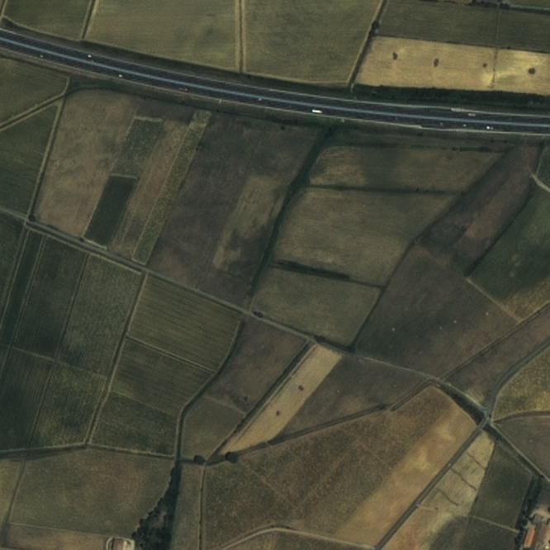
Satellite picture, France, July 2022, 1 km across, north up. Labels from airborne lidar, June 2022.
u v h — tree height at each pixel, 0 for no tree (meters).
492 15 0
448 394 6
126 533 0
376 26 13
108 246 0
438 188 0
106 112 0
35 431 0
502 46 0
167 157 0
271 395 0
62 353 0
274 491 0
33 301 0
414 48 0
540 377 0
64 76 0
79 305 0
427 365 0
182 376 0
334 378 0
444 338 0
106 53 0
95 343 0
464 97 7
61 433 0
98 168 0
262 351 0
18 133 0
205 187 0
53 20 0
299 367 0
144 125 0
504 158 0
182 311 0
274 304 0
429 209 0
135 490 0
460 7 0
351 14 0
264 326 0
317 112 0
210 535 0
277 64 0
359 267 0
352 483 0
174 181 0
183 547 0
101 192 0
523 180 0
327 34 0
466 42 0
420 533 0
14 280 0
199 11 0
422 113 0
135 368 0
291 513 0
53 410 0
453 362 0
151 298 0
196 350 0
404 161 0
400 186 0
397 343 0
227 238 0
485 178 0
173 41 0
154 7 0
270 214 0
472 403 0
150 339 0
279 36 0
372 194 0
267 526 0
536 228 0
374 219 0
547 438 0
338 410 0
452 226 0
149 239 0
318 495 0
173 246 0
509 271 0
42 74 0
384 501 0
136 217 0
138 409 0
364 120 0
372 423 0
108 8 0
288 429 0
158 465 0
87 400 0
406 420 0
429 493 0
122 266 0
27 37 0
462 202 0
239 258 0
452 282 0
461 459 0
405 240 0
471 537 0
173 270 0
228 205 0
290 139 0
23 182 0
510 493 0
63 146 0
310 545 0
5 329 0
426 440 0
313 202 0
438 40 0
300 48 0
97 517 0
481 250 0
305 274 0
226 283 0
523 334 0
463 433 0
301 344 0
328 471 0
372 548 0
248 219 0
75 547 0
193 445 0
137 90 0
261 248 0
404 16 0
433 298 0
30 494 0
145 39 0
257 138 0
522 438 0
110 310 0
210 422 0
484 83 0
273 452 0
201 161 0
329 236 0
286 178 0
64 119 0
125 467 0
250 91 0
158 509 6
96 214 0
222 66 0
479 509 0
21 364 0
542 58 0
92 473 0
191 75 0
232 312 0
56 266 0
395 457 0
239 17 0
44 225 0
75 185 0
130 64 0
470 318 0
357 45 0
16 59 0
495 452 0
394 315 0
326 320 0
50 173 0
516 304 0
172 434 0
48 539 0
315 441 0
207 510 0
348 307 0
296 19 0
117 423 0
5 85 0
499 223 0
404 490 0
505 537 0
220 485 0
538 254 0
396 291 0
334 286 0
